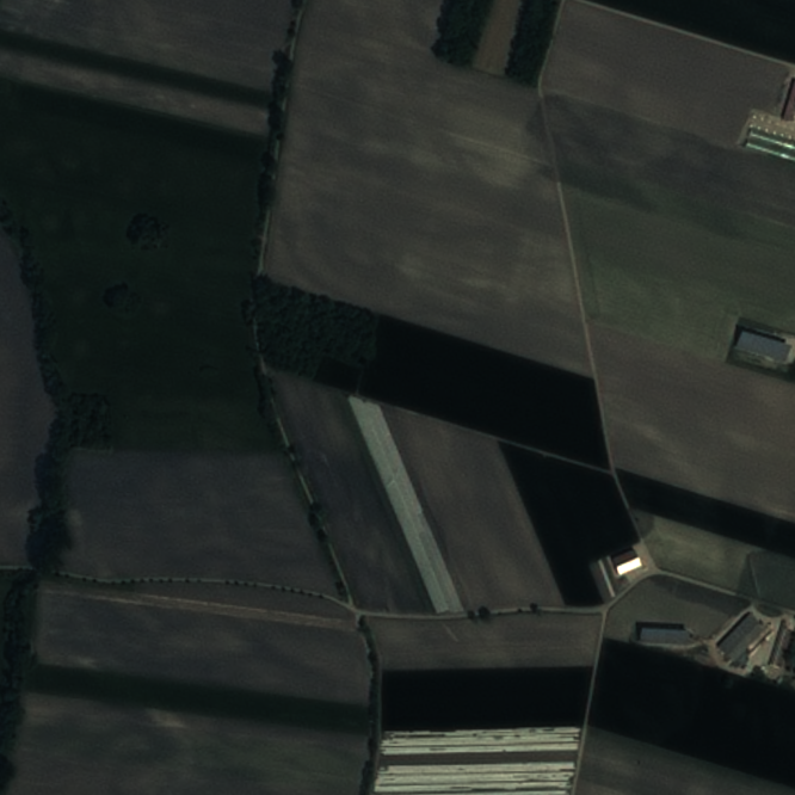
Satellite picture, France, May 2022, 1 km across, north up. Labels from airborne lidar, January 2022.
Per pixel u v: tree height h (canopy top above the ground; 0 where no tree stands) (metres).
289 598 0
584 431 0
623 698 0
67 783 0
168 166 0
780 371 0
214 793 0
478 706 0
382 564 0
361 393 0
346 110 0
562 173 0
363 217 0
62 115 0
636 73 0
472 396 0
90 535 0
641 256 0
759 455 0
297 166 0
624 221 0
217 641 0
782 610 0
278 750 0
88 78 0
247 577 0
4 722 18
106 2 0
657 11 0
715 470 0
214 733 0
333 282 0
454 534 0
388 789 0
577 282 0
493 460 0
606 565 0
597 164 0
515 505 0
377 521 0
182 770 0
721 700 0
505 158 0
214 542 0
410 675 0
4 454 0
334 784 0
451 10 21
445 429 0
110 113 0
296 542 0
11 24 0
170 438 0
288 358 15
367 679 0
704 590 0
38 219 0
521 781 0
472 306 0
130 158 0
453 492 0
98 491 0
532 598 0
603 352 0
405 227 0
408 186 0
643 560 0
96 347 0
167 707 0
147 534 0
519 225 0
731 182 0
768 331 0
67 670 0
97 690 0
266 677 0
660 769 0
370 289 0
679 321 0
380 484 0
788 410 0
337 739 0
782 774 0
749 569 0
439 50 13
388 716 0
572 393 0
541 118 0
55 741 0
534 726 0
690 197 0
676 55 0
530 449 0
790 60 0
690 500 0
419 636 0
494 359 0
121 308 15
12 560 0
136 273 0
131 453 0
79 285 0
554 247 0
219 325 0
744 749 0
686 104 0
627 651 0
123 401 0
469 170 0
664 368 0
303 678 0
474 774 0
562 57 0
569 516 0
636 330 0
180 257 0
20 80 0
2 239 0
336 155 0
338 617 0
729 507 0
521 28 15
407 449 0
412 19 0
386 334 0
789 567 0
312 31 0
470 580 0
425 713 0
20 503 0
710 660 0
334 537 0
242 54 0
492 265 0
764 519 0
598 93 0
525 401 0
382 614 0
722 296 0
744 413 0
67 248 0
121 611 0
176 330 0
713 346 0
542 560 0
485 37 0
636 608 0
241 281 0
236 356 0
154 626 0
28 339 0
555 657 0
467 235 0
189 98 0
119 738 0
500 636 0
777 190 0
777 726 0
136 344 0
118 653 0
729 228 0
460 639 0
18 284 0
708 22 0
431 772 0
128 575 0
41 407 0
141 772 0
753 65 0
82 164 0
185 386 0
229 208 0
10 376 0
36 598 0
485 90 0
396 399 0
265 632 0
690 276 0
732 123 0
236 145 0
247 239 0
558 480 0
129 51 0
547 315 0
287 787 0
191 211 0
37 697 0
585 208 0
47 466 28
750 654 0
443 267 0
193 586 0
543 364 0
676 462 0
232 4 0
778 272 0
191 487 0
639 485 0
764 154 0
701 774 0
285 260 0
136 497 0
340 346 20
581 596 0
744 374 0
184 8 0
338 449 0
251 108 0
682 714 0
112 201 0
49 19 0
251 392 0
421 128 0
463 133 0
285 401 0
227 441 0
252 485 0
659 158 0
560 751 0
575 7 0
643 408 0
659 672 0
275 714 0
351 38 0
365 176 0
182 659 0
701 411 0
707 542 0
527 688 0
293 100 0
